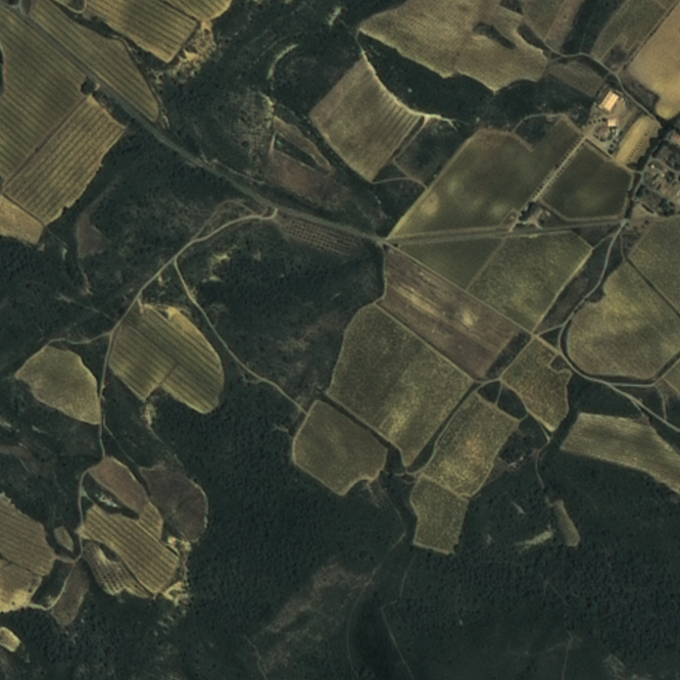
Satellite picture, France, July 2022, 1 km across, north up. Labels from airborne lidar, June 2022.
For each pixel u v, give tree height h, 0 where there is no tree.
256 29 0
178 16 0
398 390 0
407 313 0
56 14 0
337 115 0
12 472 0
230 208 0
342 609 0
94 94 11
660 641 8
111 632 7
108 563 0
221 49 0
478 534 6
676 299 0
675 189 0
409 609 9
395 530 0
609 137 0
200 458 7
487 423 0
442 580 8
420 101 0
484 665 0
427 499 0
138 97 0
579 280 0
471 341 0
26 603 0
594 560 12
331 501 8
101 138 0
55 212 0
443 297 0
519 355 0
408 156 0
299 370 0
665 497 14
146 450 0
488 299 0
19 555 0
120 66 0
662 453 0
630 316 0
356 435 0
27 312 6
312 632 0
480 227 0
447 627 7
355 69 0
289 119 0
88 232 0
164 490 0
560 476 0
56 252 0
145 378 0
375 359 0
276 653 0
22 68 0
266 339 0
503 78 0
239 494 9
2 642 0
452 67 0
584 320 0
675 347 0
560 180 0
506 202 0
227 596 9
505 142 0
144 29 0
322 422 0
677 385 0
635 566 11
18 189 0
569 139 0
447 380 0
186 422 8
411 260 0
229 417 12
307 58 0
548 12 0
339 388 0
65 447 0
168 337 0
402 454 0
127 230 0
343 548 8
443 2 0
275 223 0
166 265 0
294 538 7
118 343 0
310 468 0
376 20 0
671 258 0
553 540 7
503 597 8
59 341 0
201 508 0
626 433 0
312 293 9
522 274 0
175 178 9
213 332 0
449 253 0
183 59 0
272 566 10
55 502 0
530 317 0
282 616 0
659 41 0
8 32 0
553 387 0
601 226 0
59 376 0
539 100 0
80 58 0
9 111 0
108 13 0
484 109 0
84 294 0
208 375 0
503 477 6
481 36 0
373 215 0
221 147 0
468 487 0
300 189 0
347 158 0
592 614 12
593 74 0
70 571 0
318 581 0
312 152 0
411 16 0
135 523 0
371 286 0
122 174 0
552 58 0
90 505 0
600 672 0
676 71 0
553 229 0
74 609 0
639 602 11
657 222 0
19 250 10
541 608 5
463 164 0
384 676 8
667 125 8
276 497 7
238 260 6
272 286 8
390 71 6
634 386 0
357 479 0
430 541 0
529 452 8
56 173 0
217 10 0
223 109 10
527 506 7
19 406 8
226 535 10
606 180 0
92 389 0
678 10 0
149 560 0
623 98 0
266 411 8
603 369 0
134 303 0
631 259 0
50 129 0
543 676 0
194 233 0
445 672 0
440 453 0
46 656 12
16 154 0
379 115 0
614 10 0
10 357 0
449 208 0
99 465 0
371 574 0
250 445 10
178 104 7
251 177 0
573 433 0
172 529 0
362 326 0
